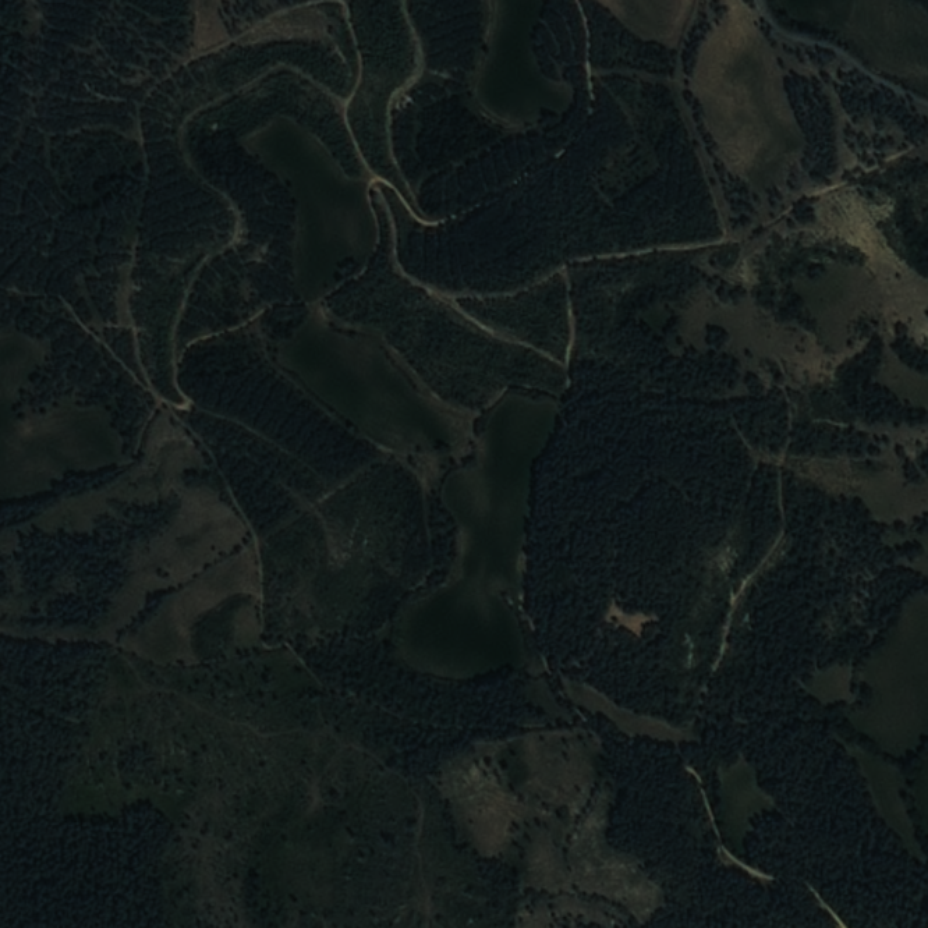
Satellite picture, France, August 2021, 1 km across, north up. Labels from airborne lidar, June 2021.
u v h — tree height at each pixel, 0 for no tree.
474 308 6
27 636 0
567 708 16
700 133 7
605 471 12
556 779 0
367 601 7
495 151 7
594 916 0
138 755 13
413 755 9
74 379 8
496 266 6
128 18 8
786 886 14
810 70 0
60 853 6
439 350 7
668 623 11
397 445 0
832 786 15
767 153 0
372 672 8
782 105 0
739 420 11
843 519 12
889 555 13
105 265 7
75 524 0
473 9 8
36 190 9
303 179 0
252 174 10
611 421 17
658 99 6
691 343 0
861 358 12
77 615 10
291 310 8
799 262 9
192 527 0
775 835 14
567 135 7
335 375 0
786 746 17
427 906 0
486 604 0
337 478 7
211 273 10
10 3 11
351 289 9
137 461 9
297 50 10
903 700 0
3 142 9
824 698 0
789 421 9
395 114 11
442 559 15
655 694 11
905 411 12
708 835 9
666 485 13
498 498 0
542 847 0
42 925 20
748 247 0
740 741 12
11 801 16
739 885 16
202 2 0
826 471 0
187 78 6
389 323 6
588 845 0
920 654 0
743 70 0
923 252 6
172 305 6
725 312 0
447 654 0
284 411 10
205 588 0
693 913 8
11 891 17
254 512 9
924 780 0
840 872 17
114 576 8
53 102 7
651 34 0
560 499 18
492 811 0
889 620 12
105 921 15
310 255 0
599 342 7
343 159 9
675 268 7
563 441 16
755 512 14
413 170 10
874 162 7
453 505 0
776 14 9
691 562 11
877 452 15
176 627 0
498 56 0
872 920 10
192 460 0
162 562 0
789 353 0
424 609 0
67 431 0
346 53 5
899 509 0
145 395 6
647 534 11
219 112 8
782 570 13
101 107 7
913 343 6
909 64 0
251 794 6
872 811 20
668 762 15
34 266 9
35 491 0
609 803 0
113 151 10
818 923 16
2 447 0
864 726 0
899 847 18
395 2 11
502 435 0
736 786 0
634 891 0
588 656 11
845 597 13
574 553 10
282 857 0
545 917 0
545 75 10
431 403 0
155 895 20
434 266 9
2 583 11
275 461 8
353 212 0
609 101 9
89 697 16
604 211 7
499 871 16
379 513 6
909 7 0
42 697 18
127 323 0
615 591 7
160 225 9
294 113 8
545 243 6
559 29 9
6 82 8
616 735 16
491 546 0
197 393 7
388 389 0
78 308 9
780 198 11
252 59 9
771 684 13
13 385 0
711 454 16
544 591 14
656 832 12
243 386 9
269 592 9
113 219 8
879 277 0
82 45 7
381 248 6
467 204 9
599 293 8
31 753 15
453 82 9
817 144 12
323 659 9
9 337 0
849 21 0
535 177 7
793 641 18
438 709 8
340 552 0
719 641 11
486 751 0
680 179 8
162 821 18
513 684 14
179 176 9
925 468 10
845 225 0
